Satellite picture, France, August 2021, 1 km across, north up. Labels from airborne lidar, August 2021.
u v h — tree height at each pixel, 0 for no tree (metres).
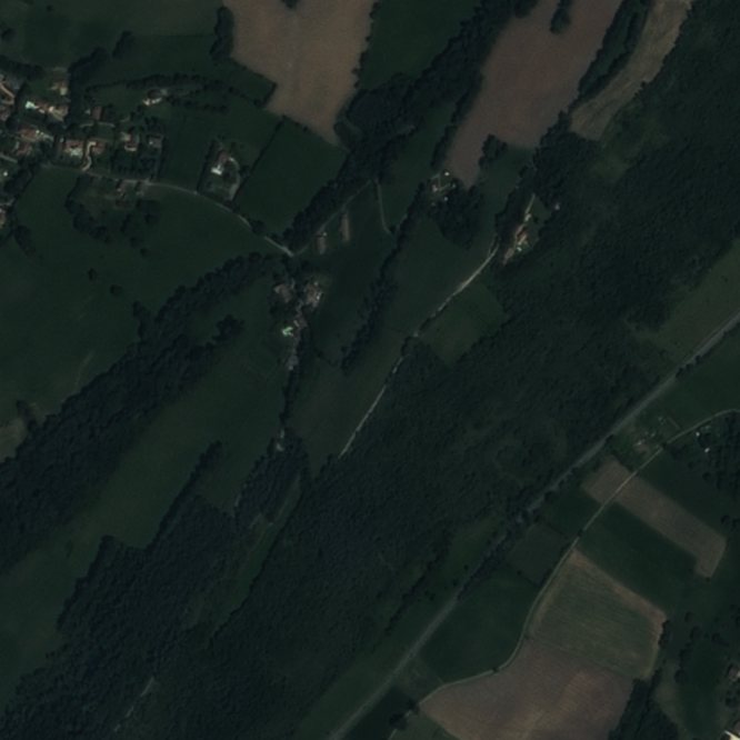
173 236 0
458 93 20
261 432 0
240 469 0
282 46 0
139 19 0
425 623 0
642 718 6
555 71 0
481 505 6
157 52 0
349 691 0
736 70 6
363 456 10
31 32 0
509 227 12
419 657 0
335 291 0
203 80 9
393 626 9
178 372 23
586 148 13
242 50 0
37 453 26
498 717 0
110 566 12
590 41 0
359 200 0
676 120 7
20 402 11
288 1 19
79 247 0
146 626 16
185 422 0
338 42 0
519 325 21
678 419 0
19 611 0
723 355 0
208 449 0
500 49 0
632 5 16
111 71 0
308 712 11
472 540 0
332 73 0
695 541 0
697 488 0
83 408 32
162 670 9
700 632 12
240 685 20
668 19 0
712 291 0
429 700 0
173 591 12
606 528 0
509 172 0
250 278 25
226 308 0
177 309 25
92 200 0
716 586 0
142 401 27
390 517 17
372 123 18
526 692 0
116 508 0
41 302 0
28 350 0
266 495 11
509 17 16
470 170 0
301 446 12
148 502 0
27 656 0
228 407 0
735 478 14
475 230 14
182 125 0
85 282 0
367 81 0
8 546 26
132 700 7
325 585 8
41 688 10
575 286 20
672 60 14
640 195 8
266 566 14
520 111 0
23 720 13
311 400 0
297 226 16
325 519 15
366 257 0
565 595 0
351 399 0
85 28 0
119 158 13
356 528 15
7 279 0
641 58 0
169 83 18
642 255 14
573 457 7
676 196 10
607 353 13
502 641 0
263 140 0
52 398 0
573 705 0
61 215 0
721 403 0
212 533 15
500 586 0
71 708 17
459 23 0
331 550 21
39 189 0
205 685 24
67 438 28
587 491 0
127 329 0
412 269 0
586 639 0
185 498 15
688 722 0
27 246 21
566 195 13
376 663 0
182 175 0
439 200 0
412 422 18
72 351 0
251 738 10
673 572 0
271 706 12
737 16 6
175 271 0
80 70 21
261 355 0
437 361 12
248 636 21
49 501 25
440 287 0
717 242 8
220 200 8
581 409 8
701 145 16
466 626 0
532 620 0
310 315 7
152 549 13
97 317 0
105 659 20
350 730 0
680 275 9
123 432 27
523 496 14
